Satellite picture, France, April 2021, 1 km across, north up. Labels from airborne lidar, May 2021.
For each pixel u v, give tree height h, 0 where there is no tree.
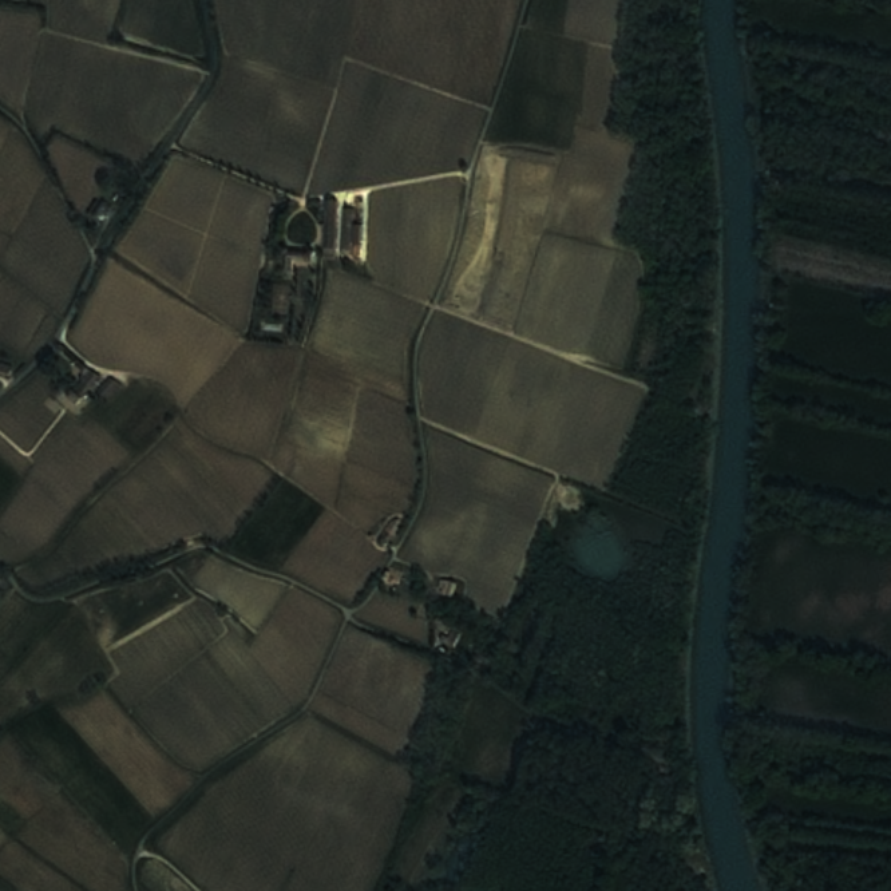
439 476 0
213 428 0
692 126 25
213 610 0
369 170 0
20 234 0
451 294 0
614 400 0
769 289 0
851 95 24
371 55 0
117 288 0
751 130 12
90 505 0
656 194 18
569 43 0
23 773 0
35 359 0
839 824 12
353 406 0
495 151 0
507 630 10
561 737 27
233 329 0
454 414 0
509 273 0
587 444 0
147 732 0
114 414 0
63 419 0
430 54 0
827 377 13
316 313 16
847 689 0
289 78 0
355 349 0
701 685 0
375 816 0
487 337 0
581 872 12
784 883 14
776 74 21
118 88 0
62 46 0
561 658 23
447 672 14
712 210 13
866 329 0
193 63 0
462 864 7
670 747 14
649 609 16
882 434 7
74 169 0
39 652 0
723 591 0
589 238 0
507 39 0
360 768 0
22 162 0
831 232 8
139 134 0
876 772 14
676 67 21
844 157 24
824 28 0
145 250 0
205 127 0
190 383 0
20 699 0
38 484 0
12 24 0
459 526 0
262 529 0
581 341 0
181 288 0
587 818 27
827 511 22
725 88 0
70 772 0
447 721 21
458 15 0
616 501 0
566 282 0
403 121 0
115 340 0
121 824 0
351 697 0
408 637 0
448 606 16
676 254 22
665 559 9
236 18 0
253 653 0
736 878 0
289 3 0
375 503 0
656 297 16
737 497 0
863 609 0
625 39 16
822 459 0
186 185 0
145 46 0
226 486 0
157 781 0
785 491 20
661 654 21
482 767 0
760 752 16
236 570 0
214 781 0
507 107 0
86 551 0
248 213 0
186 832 0
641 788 22
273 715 0
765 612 0
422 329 0
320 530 0
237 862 0
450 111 0
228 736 0
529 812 14
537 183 0
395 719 0
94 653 0
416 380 0
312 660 0
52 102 0
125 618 0
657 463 9
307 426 0
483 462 0
